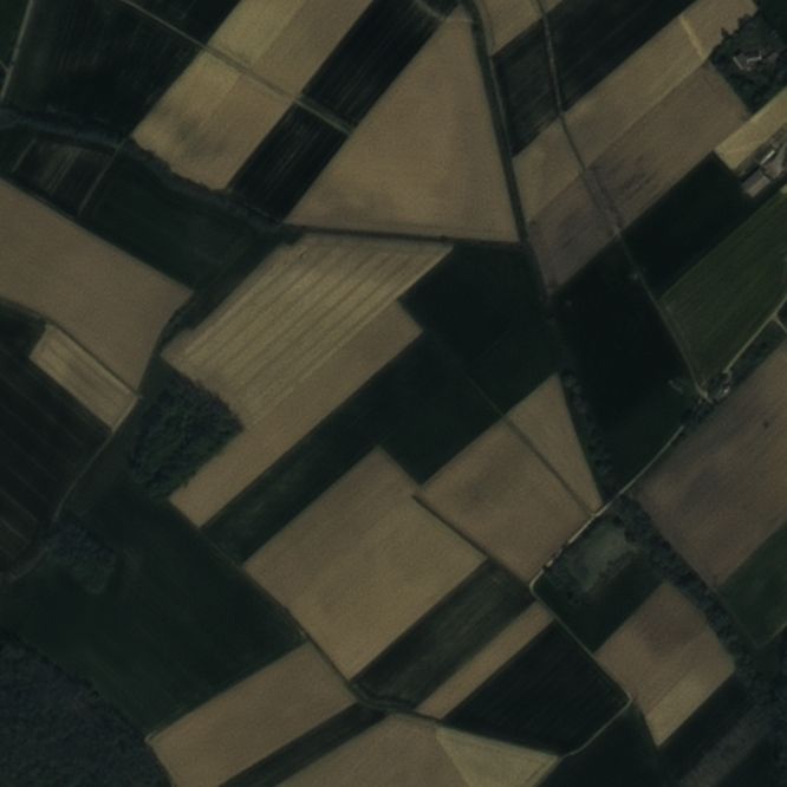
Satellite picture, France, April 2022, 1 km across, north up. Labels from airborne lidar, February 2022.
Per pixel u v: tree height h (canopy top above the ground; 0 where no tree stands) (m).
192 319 0
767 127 0
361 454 0
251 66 0
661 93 0
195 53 0
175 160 0
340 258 0
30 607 0
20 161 0
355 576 0
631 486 0
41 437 0
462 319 0
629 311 0
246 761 0
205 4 0
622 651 0
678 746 0
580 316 0
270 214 0
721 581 0
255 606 0
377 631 0
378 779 0
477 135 0
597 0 0
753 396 0
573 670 0
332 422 0
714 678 0
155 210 0
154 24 0
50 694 30
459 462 0
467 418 0
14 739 31
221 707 0
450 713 0
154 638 0
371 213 0
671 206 0
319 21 0
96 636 0
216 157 0
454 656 0
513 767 0
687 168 0
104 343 0
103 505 0
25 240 0
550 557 0
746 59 0
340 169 0
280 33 0
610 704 0
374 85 0
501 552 0
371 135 0
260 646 0
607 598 0
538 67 0
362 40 0
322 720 0
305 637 0
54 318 0
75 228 0
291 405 0
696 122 0
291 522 0
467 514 0
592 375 0
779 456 0
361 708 0
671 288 0
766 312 0
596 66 0
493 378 0
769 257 0
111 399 0
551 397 0
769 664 0
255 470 0
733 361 0
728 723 0
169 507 0
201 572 0
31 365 0
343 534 0
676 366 0
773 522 0
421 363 0
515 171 0
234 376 0
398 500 0
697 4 0
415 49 0
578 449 0
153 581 0
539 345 0
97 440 0
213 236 0
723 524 0
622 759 0
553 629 0
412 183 0
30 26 0
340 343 0
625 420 0
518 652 0
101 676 0
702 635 0
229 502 0
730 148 0
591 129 0
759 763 0
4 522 0
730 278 0
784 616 0
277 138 0
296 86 0
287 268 0
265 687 0
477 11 0
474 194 0
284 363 0
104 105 0
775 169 0
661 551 21
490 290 0
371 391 0
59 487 0
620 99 0
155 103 0
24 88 0
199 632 0
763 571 0
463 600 0
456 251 0
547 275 0
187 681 0
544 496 0
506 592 0
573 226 0
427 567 0
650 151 0
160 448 25
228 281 0
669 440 0
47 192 0
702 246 0
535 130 0
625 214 0
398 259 0
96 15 0
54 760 28
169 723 0
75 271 0
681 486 0
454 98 0
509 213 0
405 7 0
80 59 0
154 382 0
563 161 0
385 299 0
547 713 0
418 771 0
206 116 0
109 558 24
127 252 0
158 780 20
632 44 0
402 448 0
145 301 0
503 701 0
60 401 0
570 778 0
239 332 0
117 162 0
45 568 0
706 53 0
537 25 0
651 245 0
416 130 0
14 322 0
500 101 0
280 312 0
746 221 0
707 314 0
